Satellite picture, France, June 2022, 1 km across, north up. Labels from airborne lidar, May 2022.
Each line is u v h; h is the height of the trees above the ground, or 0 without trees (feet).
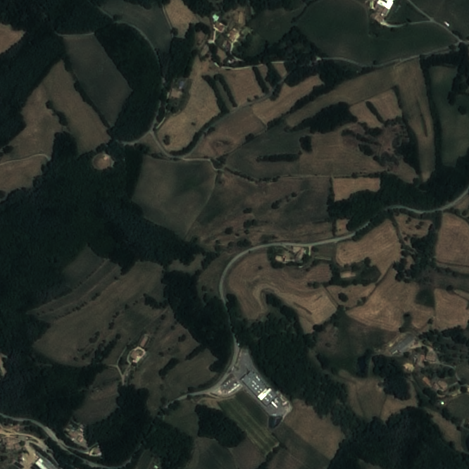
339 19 0
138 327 0
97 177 70
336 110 46
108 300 0
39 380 67
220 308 46
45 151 0
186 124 0
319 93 26
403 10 0
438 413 0
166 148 0
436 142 28
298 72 57
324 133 47
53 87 0
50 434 0
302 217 0
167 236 55
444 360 54
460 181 24
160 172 0
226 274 0
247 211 37
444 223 0
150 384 0
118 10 0
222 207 0
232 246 33
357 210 46
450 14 0
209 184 0
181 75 56
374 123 0
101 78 0
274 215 0
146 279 0
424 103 0
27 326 57
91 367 41
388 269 0
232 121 0
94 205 70
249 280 0
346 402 29
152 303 48
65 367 35
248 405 0
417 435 77
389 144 0
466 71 71
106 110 0
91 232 56
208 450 0
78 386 60
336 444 0
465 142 0
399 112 0
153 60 53
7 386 73
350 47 0
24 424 39
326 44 0
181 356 0
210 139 0
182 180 0
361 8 0
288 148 0
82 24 62
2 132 60
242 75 0
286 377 73
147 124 38
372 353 21
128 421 83
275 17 0
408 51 0
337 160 0
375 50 0
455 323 0
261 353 55
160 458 66
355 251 0
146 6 85
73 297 0
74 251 52
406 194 47
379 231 0
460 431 78
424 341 36
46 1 69
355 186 0
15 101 61
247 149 0
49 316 0
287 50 56
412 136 27
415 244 51
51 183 62
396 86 25
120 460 62
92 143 0
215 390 0
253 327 32
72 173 60
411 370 0
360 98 0
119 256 64
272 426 0
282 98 0
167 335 0
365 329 0
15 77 74
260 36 0
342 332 0
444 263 0
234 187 0
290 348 63
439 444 61
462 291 0
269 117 0
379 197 44
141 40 43
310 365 32
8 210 57
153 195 0
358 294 0
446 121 0
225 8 47
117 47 41
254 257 0
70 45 0
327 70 31
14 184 0
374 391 0
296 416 0
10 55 54
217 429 65
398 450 86
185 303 69
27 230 80
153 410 0
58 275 62
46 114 0
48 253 64
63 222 67
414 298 0
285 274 0
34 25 41
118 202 61
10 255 59
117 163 45
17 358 81
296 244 0
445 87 0
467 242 0
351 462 73
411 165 25
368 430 55
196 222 0
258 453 0
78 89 48
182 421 0
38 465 0
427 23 0
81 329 0
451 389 25
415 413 97
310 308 0
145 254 64
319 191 0
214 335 40
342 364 0
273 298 36
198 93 0
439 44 0
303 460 0
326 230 0
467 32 0
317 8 0
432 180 32
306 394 40
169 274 48
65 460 60
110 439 65
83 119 0
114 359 0
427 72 18
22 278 72
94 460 28
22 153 0
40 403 52
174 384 0
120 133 63
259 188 0
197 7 64
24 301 73
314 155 0
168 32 0
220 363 41
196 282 66
